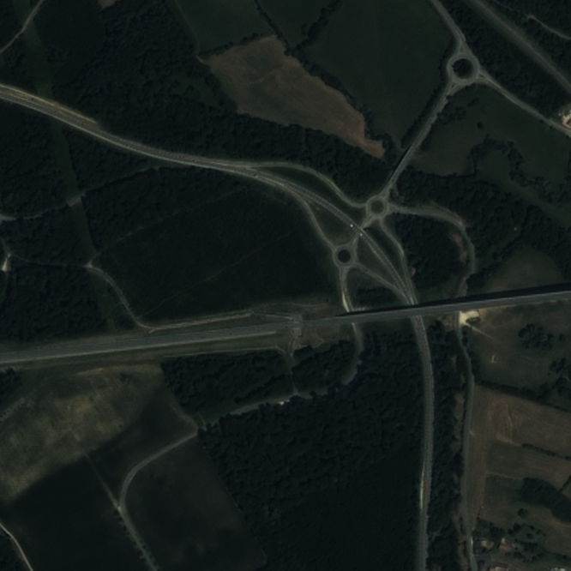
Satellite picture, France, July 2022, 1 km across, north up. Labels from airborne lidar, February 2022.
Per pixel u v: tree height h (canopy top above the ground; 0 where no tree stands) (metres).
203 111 20
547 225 20
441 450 11
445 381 29
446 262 23
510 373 0
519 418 0
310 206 0
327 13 13
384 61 0
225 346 0
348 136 0
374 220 0
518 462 0
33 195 21
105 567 0
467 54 0
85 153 19
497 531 15
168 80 29
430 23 0
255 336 0
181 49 22
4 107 6
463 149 0
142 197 25
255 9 0
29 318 29
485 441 0
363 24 0
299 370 19
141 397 0
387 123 0
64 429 0
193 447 0
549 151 0
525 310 0
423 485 0
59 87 8
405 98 0
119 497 0
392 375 7
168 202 24
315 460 26
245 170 0
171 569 0
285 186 0
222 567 0
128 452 0
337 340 0
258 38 8
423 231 27
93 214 20
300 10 0
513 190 0
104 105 21
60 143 0
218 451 19
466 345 17
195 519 0
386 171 20
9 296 21
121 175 16
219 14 0
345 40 0
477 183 18
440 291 0
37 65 0
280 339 0
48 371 0
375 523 8
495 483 0
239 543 0
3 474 0
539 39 12
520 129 0
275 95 0
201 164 0
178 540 0
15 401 0
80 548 0
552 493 6
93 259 0
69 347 0
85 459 0
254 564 0
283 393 14
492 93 0
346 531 9
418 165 0
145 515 0
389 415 6
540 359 0
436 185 23
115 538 0
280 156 10
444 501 21
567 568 0
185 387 25
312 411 22
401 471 10
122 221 21
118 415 0
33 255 17
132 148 0
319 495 10
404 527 9
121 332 0
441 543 23
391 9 0
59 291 28
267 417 26
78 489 0
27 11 0
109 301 0
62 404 0
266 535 12
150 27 26
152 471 0
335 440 22
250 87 0
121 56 24
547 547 0
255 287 0
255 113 0
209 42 0
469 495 0
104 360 0
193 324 0
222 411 0
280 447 27
